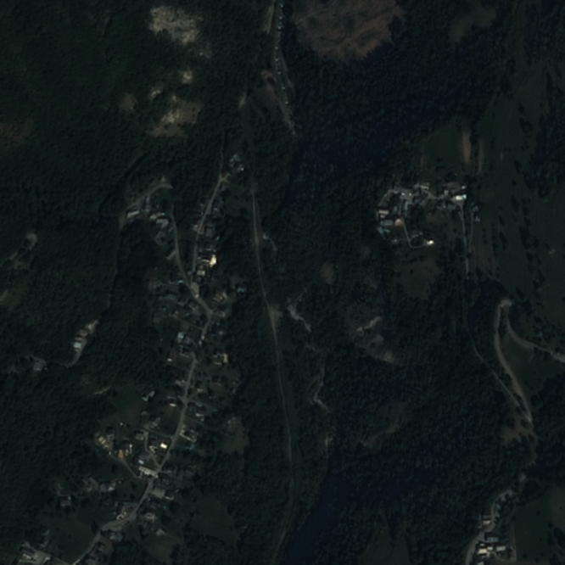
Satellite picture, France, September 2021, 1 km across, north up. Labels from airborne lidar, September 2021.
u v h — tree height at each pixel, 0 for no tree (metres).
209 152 16
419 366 11
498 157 0
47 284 16
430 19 24
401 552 0
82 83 14
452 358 11
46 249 16
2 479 13
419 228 10
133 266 15
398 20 0
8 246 16
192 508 0
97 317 12
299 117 26
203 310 0
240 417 12
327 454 8
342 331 19
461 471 30
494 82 20
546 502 0
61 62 17
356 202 9
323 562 25
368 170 21
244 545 13
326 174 15
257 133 14
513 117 0
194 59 7
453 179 7
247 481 13
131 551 23
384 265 13
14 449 22
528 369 0
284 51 14
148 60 16
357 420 23
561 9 20
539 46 18
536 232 0
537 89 0
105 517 0
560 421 27
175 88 8
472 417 22
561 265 0
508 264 0
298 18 0
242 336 17
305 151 21
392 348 15
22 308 13
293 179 23
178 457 11
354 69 23
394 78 22
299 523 16
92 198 19
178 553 14
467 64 24
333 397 14
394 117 21
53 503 19
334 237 20
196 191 7
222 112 12
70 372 13
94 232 19
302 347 14
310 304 7
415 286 0
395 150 12
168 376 12
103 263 17
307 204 16
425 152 0
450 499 22
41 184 17
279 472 9
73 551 0
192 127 11
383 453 17
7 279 12
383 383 17
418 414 12
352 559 11
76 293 19
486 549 0
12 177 23
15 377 16
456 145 0
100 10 13
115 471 13
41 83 16
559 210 0
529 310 15
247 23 16
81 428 18
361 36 0
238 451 0
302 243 9
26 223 17
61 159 16
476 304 7
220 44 17
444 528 21
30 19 21
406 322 27
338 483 15
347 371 24
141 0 11
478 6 0
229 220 15
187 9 7
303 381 8
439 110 28
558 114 19
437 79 22
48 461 18
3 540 23
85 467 23
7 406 21
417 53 21
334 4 0
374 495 19
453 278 18
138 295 22
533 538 0
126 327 19
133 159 9
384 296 8
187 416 0
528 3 0
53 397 11
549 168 30
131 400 0
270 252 8
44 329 8
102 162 18
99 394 9
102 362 21
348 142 25
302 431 11
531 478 21
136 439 0
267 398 11
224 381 7
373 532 17
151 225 6
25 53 17
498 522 7
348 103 27
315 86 15
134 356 19
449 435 13
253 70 22
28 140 11
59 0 18
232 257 14
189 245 11
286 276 6
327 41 0
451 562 21
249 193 6
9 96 17
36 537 22
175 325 0
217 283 0
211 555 15
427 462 28
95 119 16
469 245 0
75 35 11
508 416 16
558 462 25
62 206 11
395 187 0
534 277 9
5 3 21
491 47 21
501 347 0
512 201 0
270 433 10
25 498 14
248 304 19
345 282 17
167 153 11
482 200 0
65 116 13
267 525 7
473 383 24
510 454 18
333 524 10
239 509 11
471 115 20
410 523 22
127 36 16
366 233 18
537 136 0
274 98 0
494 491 18
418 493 24
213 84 18
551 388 21
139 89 19
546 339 12
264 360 16
